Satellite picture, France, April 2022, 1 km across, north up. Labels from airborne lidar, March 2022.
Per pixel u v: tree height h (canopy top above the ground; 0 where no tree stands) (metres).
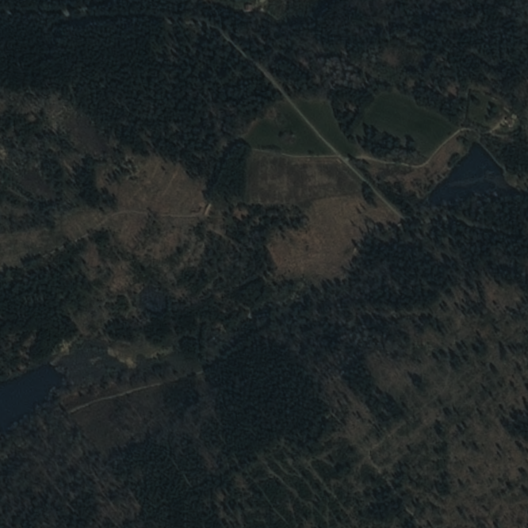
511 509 0
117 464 20
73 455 27
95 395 12
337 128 0
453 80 20
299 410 15
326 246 0
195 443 19
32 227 11
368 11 16
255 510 29
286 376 17
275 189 0
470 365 24
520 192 0
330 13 24
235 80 26
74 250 6
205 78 9
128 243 0
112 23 23
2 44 18
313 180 0
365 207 0
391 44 21
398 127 0
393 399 0
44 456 18
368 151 22
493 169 0
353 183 0
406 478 26
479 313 26
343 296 22
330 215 0
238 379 25
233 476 18
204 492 16
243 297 7
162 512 18
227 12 14
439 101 24
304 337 26
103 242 9
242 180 30
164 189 0
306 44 31
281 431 14
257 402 21
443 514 23
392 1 13
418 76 28
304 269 0
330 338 14
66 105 6
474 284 32
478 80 17
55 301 23
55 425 23
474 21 26
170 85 25
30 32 14
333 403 20
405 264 26
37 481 8
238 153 31
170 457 19
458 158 13
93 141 0
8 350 8
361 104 19
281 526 9
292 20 6
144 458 20
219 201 29
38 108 30
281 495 7
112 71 27
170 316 19
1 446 31
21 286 29
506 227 27
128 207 0
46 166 17
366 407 24
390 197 11
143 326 22
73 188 22
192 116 31
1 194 6
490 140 14
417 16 13
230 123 25
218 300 11
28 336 8
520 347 12
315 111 0
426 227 25
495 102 0
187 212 0
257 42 17
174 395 6
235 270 19
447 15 29
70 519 17
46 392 0
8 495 17
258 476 6
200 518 19
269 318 24
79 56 27
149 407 0
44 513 17
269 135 0
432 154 0
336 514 6
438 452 7
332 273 0
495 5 11
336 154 0
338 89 23
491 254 28
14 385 0
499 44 29
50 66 22
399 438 0
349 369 21
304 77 25
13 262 0
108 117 24
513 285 30
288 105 0
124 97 22
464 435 28
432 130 0
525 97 21
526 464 0
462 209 25
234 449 18
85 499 12
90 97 24
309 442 9
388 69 8
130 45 27
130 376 18
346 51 12
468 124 10
